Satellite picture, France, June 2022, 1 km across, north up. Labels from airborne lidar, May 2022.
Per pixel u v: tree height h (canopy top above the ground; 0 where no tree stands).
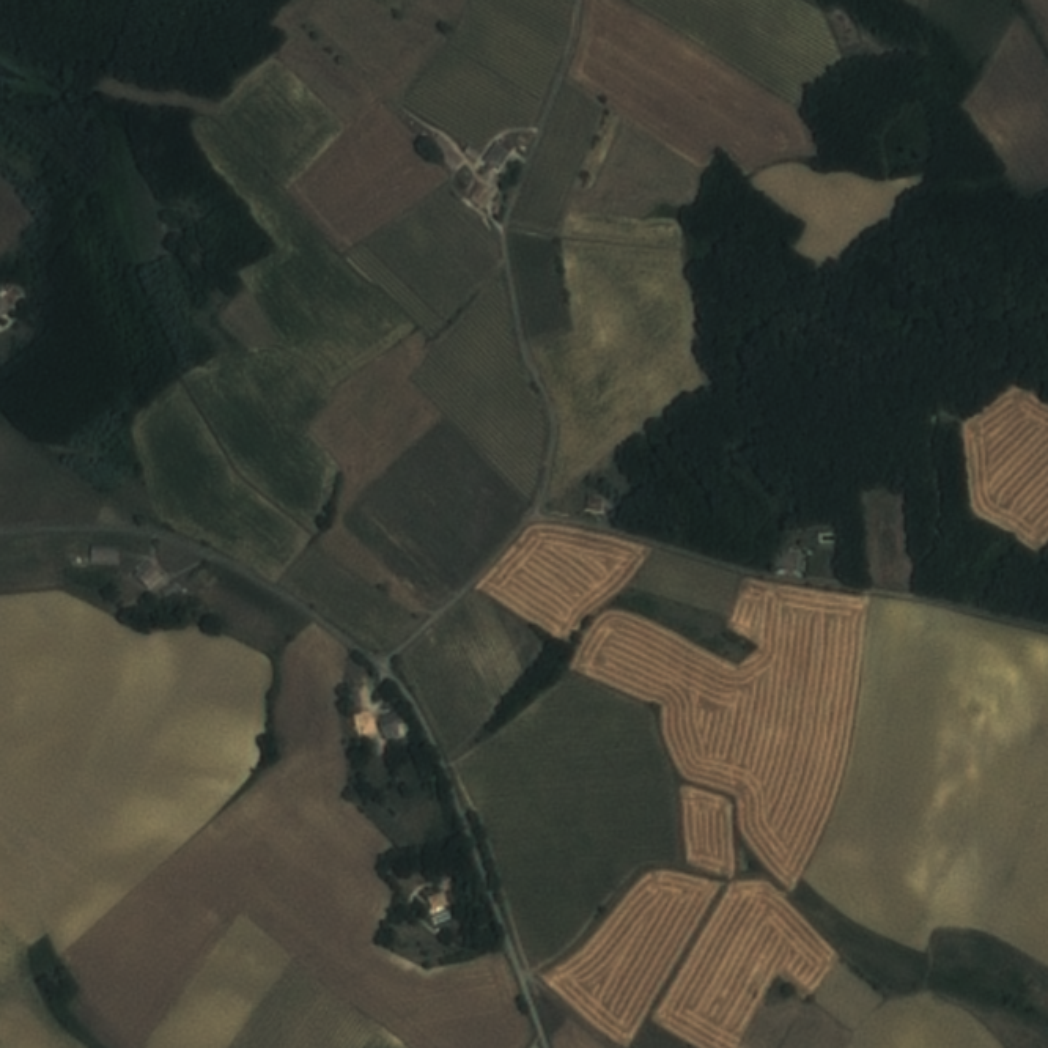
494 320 0
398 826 0
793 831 0
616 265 0
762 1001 0
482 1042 0
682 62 0
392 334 0
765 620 0
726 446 21
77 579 9
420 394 0
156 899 0
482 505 0
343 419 0
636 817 0
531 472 0
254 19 13
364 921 0
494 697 0
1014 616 8
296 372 0
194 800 0
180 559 0
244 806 0
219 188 12
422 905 7
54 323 18
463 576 0
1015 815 0
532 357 0
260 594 0
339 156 0
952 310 17
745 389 24
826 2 13
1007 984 0
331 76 0
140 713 0
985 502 0
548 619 0
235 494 0
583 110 0
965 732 0
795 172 0
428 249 0
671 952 0
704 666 0
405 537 0
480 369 0
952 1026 0
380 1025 0
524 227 0
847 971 0
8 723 0
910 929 0
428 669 0
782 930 0
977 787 0
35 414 17
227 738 0
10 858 0
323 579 0
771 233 14
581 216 0
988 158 16
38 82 0
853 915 0
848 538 16
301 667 0
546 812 0
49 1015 0
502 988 0
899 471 15
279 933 0
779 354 19
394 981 0
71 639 0
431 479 0
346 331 0
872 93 15
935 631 0
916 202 18
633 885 0
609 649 0
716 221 12
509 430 0
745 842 0
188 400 0
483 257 0
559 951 0
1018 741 0
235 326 0
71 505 0
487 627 0
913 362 16
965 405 15
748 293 25
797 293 34
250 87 0
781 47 0
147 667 0
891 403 9
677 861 0
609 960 0
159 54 20
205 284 12
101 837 0
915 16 12
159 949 0
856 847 0
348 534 0
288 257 0
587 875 0
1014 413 0
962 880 0
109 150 9
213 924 0
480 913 15
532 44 0
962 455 13
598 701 0
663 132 0
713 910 0
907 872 0
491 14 0
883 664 0
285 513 0
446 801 13
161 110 11
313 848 0
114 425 12
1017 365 22
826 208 0
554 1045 0
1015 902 0
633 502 21
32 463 0
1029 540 0
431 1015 0
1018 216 13
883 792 0
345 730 0
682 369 0
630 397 0
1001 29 0
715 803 0
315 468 0
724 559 5
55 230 14
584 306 0
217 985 0
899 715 0
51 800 0
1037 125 0
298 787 0
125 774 0
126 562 0
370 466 0
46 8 7
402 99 0
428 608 0
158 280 13
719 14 0
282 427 0
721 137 0
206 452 0
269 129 0
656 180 0
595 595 0
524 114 0
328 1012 0
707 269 18
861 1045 0
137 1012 0
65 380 19
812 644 0
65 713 0
